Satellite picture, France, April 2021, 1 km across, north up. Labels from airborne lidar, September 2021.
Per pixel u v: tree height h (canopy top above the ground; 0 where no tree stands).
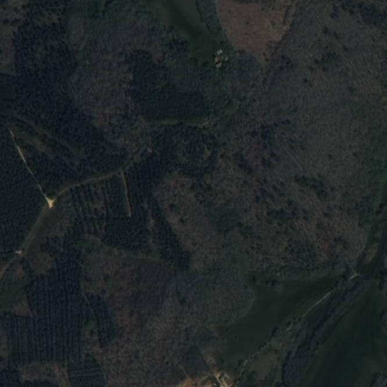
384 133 16
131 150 8
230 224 13
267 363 0
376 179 20
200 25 0
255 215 10
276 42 0
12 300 14
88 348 15
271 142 23
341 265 22
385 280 19
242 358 0
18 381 21
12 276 13
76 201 16
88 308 21
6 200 16
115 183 16
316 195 14
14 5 9
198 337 14
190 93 17
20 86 24
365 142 23
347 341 0
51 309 21
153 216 11
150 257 28
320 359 0
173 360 17
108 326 16
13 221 17
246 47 0
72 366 15
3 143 21
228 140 11
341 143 18
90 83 6
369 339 0
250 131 10
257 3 8
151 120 12
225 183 18
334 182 14
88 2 11
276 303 0
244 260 22
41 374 16
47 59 23
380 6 14
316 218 9
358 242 19
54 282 18
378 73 16
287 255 11
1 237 17
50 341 15
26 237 11
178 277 19
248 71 13
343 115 16
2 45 10
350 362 0
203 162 11
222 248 7
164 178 10
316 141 15
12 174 14
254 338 0
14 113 8
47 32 23
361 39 15
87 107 6
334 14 13
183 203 8
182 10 0
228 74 19
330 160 22
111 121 14
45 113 21
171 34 18
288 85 17
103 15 20
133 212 13
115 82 8
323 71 13
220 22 18
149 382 17
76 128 22
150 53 8
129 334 14
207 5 21
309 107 18
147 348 16
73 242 11
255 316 0
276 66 9
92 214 17
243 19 0
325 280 0
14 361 14
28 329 13
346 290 12
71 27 17
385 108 16
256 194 18
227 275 23
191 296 16
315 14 13
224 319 22
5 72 11
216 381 7
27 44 22
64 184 18
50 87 22
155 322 17
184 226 23
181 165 13
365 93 14
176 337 12
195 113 9
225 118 6
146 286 6
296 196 15
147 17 20
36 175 18
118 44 9
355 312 0
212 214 13
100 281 12
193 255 19
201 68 13
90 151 17
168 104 13
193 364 13
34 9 25
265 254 14
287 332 14
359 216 18
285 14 0
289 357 13
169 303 15
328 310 9
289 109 7
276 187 14
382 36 16
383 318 12
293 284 0
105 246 18
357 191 12
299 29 16
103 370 12
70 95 18
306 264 13
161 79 9
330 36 27
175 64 16
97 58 8
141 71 13
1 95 12
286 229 13
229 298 14
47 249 17
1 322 16
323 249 10
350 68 17
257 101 9
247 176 8
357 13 14
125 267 10
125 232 18
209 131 12
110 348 13
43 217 0
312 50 12
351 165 21
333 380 0
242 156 11
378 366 0
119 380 15
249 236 19
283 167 14
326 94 16
